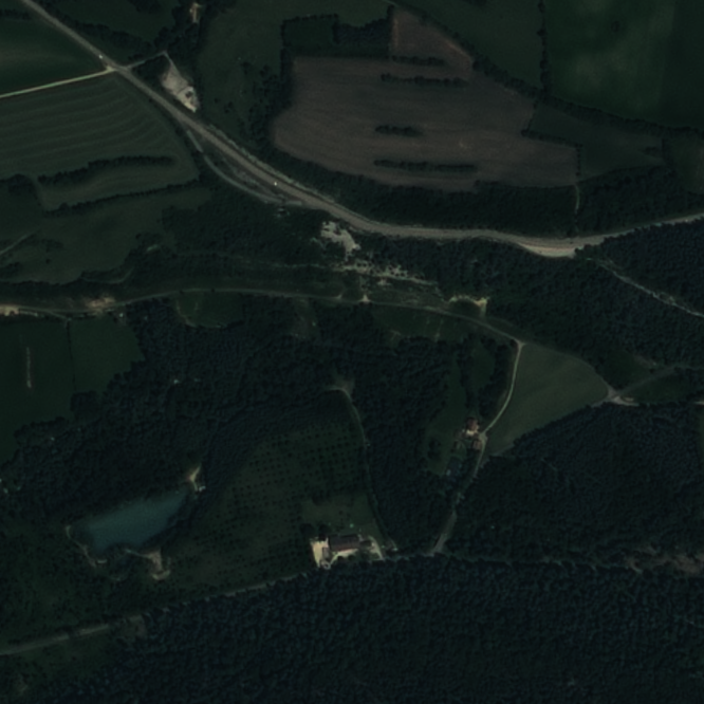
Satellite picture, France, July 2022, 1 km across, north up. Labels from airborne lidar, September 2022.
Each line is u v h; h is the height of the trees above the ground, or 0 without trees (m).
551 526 19
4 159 0
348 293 0
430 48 0
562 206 7
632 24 0
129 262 8
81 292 23
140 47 23
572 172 0
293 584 15
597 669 8
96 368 0
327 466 8
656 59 0
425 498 23
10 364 0
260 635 32
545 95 13
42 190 0
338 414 12
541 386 0
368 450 7
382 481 17
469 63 0
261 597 15
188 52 13
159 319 28
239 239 19
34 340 0
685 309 25
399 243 22
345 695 23
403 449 26
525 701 28
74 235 0
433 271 14
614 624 18
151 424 13
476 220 8
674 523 24
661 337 25
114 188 0
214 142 0
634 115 0
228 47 0
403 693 26
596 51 0
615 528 15
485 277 20
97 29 19
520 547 20
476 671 19
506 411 0
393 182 0
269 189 0
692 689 14
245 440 17
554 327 8
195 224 7
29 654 0
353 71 0
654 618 25
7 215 0
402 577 18
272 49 0
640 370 0
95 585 17
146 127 0
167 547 12
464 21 0
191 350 21
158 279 7
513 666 14
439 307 0
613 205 14
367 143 0
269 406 19
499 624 20
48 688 6
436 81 11
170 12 0
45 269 0
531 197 7
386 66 0
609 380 10
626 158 0
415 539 11
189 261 12
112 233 0
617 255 16
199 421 12
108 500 28
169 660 27
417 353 23
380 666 19
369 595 24
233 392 13
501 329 0
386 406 24
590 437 19
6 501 23
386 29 23
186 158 0
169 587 9
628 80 0
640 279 8
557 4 0
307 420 12
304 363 25
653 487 17
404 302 0
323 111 0
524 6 0
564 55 0
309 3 0
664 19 0
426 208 9
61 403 0
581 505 27
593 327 18
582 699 26
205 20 12
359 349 21
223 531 7
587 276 21
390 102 0
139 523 0
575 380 0
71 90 0
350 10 0
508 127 0
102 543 0
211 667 25
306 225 8
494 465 15
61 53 0
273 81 8
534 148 0
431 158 0
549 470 29
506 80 17
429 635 24
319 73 0
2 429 0
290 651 23
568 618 26
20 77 0
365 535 0
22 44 0
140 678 28
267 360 13
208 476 19
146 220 0
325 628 24
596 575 36
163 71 7
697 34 0
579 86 0
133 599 14
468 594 31
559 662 11
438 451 19
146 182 0
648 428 32
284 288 0
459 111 0
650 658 25
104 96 0
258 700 14
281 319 14
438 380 14
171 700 11
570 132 0
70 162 0
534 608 29
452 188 0
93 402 24
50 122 0
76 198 0
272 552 7
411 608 22
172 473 16
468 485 15
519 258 28
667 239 24
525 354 0
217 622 23
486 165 0
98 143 0
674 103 0
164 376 24
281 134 0
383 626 25
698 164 0
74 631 28
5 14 17
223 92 0
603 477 20
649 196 18
